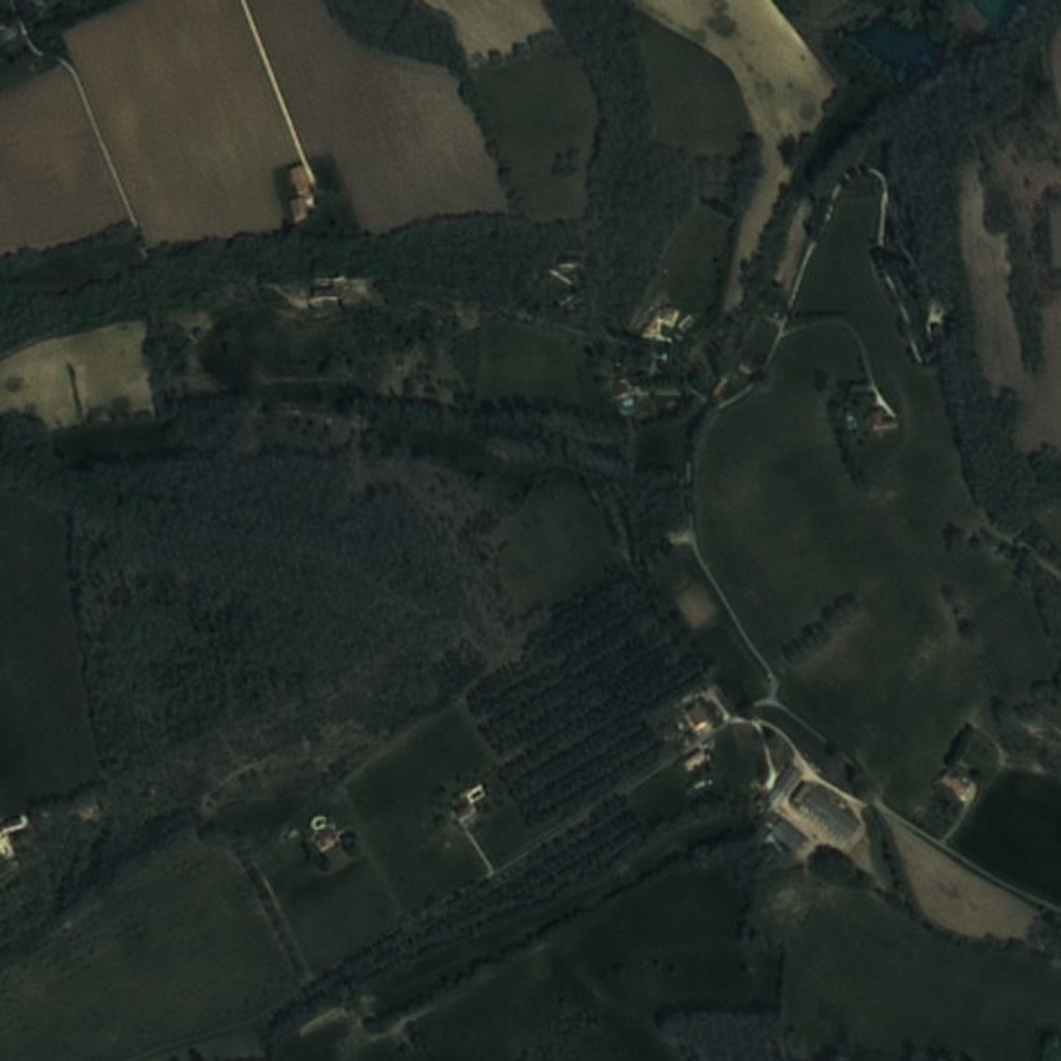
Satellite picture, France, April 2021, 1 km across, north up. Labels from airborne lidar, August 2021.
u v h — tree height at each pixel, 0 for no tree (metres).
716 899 0
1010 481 14
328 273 17
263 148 0
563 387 0
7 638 0
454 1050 0
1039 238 10
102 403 0
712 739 0
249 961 0
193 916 0
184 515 20
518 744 12
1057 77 0
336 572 13
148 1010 0
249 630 15
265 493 22
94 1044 0
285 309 12
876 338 0
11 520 0
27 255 12
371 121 0
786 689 0
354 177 0
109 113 0
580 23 18
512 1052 0
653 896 0
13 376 0
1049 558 8
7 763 0
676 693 14
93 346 0
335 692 11
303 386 0
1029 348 14
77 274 0
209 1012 0
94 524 20
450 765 0
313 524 17
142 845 18
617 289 20
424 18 17
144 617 19
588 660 7
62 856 23
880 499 0
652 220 21
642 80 21
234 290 22
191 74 0
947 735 0
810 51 0
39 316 15
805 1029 0
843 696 0
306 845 9
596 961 0
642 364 20
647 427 12
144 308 21
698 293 0
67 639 0
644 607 11
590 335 23
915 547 0
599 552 0
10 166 0
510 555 0
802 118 0
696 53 0
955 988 0
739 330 23
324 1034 0
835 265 0
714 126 0
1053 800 0
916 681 0
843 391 7
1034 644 0
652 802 0
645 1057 0
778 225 10
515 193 9
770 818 0
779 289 0
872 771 0
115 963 0
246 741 9
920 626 0
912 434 0
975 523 0
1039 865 0
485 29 0
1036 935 12
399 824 0
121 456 0
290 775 8
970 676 0
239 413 19
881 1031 0
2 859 17
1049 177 0
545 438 34
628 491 22
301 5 0
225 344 14
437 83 0
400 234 9
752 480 0
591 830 11
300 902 0
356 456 17
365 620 15
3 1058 0
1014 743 18
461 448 0
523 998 0
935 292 23
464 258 13
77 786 0
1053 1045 10
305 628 18
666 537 0
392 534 19
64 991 0
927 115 22
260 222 0
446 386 6
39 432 21
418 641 11
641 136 26
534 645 8
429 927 15
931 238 23
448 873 0
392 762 0
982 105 23
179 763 14
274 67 0
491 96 0
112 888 17
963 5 12
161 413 13
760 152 19
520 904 13
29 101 0
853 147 18
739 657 0
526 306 14
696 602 0
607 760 13
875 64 15
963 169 12
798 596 0
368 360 14
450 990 13
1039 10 24
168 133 0
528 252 19
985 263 0
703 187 16
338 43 0
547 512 0
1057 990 0
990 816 0
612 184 20
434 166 0
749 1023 23
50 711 0
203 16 0
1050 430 0
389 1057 0
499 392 0
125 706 17
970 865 0
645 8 0
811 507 0
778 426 0
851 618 21
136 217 0
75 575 7
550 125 0
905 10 13
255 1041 0
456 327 6
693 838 0
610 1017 0
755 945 15
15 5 7
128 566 20
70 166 0
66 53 7
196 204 0
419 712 11
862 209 0
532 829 11
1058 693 8
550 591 0
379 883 0
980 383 15
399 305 26
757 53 0
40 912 26
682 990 0
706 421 15
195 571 22
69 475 23
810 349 0
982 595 0
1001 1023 0
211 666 13
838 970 0
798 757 0
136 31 0
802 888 0
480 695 9
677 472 10
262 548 14
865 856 0
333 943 0
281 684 17
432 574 19
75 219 0
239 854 16
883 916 0
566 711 10
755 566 0
